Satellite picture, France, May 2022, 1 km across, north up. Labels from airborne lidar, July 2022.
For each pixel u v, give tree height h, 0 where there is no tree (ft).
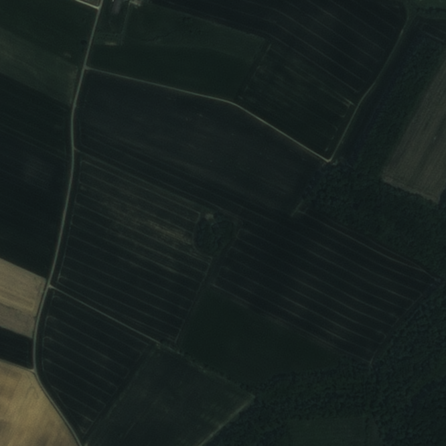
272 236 0
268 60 0
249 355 0
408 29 0
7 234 0
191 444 0
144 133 0
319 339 0
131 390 0
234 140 0
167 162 0
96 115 0
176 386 0
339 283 0
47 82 0
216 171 0
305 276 0
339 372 29
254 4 0
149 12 0
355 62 0
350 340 0
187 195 0
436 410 93
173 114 0
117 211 0
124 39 0
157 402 0
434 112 0
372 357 0
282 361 0
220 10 0
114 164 0
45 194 0
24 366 0
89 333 0
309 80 0
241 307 0
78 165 0
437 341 76
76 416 0
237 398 0
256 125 0
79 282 0
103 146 0
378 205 89
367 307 0
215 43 0
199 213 0
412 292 0
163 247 0
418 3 0
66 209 0
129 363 0
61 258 0
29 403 0
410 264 0
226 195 0
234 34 0
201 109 0
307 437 0
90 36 0
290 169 0
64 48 0
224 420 0
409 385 91
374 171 71
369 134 61
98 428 0
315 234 0
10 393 0
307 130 0
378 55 0
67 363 0
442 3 0
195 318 0
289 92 0
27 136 0
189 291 0
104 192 0
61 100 0
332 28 0
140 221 0
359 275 0
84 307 0
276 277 0
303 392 21
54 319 0
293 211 0
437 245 93
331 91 0
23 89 0
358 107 0
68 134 0
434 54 88
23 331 0
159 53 0
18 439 0
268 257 0
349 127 0
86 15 0
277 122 0
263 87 0
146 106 0
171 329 0
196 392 0
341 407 84
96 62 0
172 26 0
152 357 0
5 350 0
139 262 0
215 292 0
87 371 0
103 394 0
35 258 0
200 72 0
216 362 0
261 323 0
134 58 0
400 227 93
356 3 0
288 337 0
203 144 0
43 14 0
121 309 0
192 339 0
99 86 0
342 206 92
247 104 0
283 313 0
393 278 0
